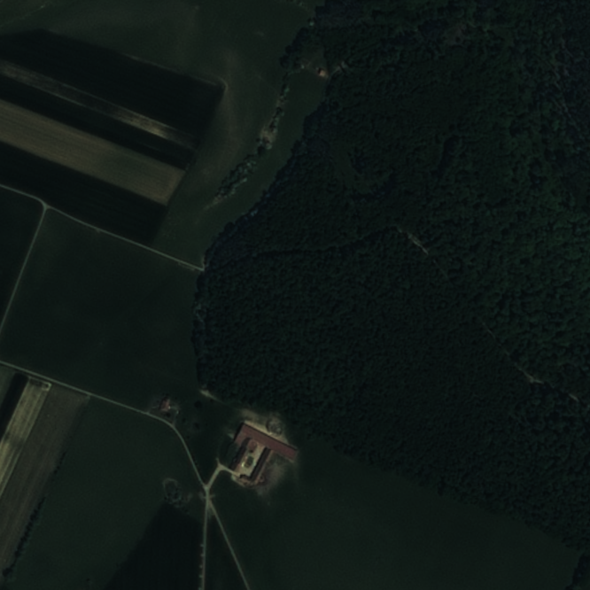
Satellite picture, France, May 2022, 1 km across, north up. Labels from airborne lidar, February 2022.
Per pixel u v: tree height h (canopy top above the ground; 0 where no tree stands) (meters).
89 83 0
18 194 0
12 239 0
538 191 36
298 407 21
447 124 15
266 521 0
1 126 0
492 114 26
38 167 0
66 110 0
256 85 0
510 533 0
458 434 20
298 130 0
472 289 31
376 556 0
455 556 0
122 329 0
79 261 0
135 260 0
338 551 0
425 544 0
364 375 22
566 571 0
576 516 26
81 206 0
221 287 24
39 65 0
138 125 0
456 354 21
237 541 0
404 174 23
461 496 16
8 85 0
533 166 35
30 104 0
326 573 0
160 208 0
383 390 18
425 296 20
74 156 0
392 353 20
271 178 0
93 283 0
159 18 0
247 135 0
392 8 25
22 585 0
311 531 0
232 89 0
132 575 0
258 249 26
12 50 0
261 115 0
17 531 0
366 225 24
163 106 0
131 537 0
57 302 0
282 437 0
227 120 0
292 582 0
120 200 0
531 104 0
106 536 0
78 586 0
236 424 0
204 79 0
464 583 0
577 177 39
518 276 36
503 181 30
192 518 0
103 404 0
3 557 0
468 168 29
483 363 18
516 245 38
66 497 0
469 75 11
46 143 0
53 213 0
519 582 0
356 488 0
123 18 0
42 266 0
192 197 0
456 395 16
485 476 26
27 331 0
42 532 0
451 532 0
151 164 0
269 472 0
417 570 0
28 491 0
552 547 0
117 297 0
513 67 21
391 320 22
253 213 9
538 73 29
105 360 0
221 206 0
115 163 0
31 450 0
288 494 0
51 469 0
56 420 0
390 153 25
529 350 33
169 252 0
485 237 32
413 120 12
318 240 25
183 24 0
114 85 0
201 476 0
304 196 24
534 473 22
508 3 31
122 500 0
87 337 0
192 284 0
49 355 0
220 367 22
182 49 0
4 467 0
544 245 34
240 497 0
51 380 0
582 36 26
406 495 0
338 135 27
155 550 0
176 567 0
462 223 37
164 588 0
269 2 0
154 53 0
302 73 0
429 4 30
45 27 0
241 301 26
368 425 15
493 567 0
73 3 0
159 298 0
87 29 0
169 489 0
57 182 0
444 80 11
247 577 0
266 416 0
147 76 0
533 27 33
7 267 0
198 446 0
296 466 0
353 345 25
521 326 35
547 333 35
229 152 0
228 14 0
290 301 27
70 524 0
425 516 0
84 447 0
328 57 8
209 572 0
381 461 18
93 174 0
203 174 0
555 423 33
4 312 0
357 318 25
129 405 0
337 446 19
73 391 0
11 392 0
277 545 0
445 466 18
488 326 23
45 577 0
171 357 0
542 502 25
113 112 0
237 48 0
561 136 28
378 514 0
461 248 35
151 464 0
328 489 0
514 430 24
